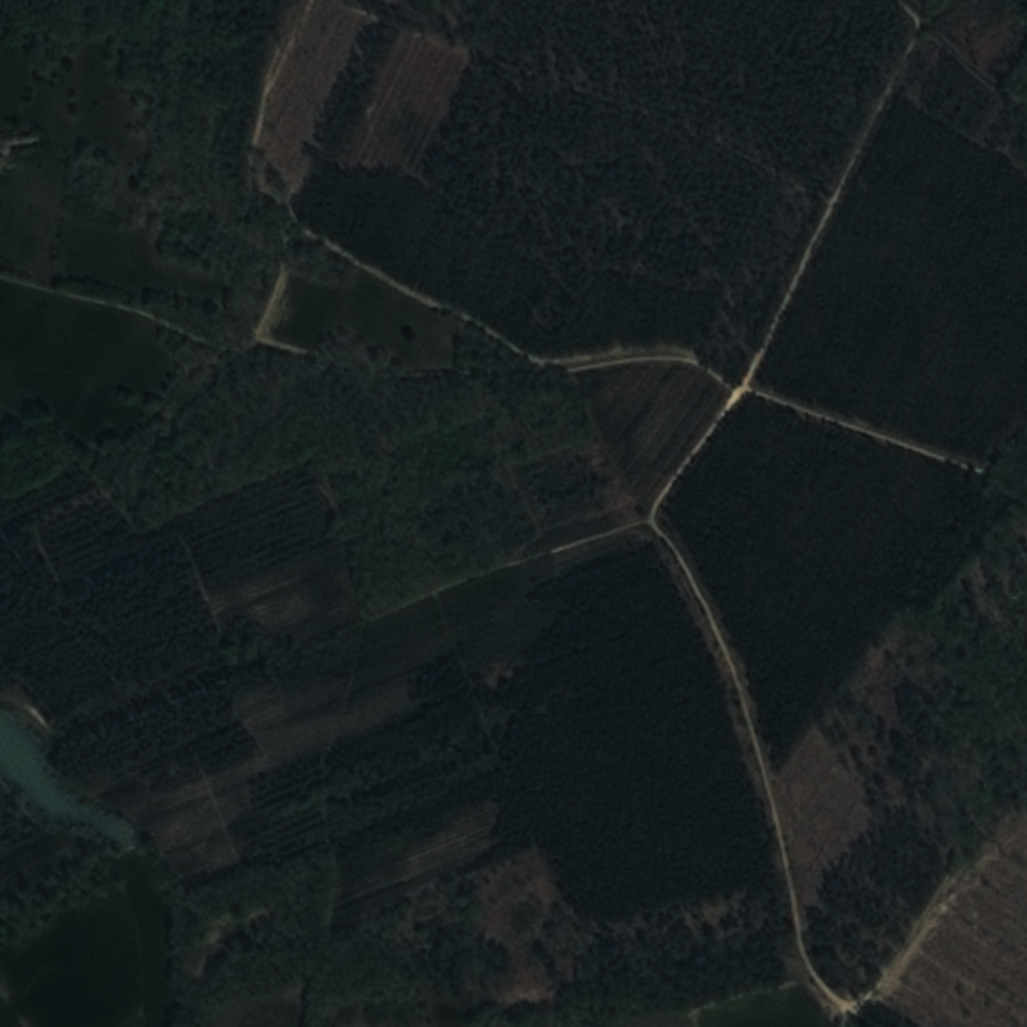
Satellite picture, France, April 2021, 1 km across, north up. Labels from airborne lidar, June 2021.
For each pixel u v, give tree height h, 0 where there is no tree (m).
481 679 11
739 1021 0
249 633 9
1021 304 14
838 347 13
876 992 12
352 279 8
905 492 12
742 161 19
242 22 10
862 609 12
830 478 12
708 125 19
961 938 0
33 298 0
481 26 24
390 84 0
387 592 21
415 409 18
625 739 13
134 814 0
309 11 0
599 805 13
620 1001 18
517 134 23
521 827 14
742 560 13
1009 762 16
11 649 14
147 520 20
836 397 13
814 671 12
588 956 13
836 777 0
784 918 20
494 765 9
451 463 7
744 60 21
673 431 0
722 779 12
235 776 0
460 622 5
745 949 10
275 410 19
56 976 0
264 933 18
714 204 22
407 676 0
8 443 24
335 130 21
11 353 0
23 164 0
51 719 15
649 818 12
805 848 0
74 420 0
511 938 0
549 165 19
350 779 14
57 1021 0
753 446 12
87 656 19
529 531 18
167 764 11
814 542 12
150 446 10
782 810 0
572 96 23
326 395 20
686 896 12
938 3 14
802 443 13
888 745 23
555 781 14
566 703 12
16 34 22
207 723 20
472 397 16
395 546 19
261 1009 0
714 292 11
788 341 13
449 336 0
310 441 18
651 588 13
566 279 18
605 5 23
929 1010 0
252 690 20
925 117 12
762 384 13
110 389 0
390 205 11
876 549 11
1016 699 22
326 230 11
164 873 19
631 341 11
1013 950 8
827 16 22
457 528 23
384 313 0
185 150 16
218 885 18
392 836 7
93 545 9
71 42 13
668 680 12
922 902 22
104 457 9
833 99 21
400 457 15
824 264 11
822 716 16
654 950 23
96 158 12
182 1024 22
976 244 14
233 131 24
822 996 0
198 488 15
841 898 25
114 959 0
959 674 16
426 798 17
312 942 23
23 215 0
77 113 12
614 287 11
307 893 21
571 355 10
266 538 8
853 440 12
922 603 15
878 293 13
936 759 17
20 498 9
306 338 0
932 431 14
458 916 17
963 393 13
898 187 14
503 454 7
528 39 25
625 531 0
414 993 18
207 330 16
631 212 18
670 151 20
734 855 13
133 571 22
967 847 17
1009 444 16
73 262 0
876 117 6
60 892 22
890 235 12
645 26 22
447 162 21
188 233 13
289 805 14
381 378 16
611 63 21
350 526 16
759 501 13
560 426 18
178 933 17
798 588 13
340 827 12
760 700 13
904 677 8
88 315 0
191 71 21
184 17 21
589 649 11
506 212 22
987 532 18
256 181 7
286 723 0
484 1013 11
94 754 18
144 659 19
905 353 12
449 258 10
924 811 14
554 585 8
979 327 13
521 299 9
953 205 13
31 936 12
